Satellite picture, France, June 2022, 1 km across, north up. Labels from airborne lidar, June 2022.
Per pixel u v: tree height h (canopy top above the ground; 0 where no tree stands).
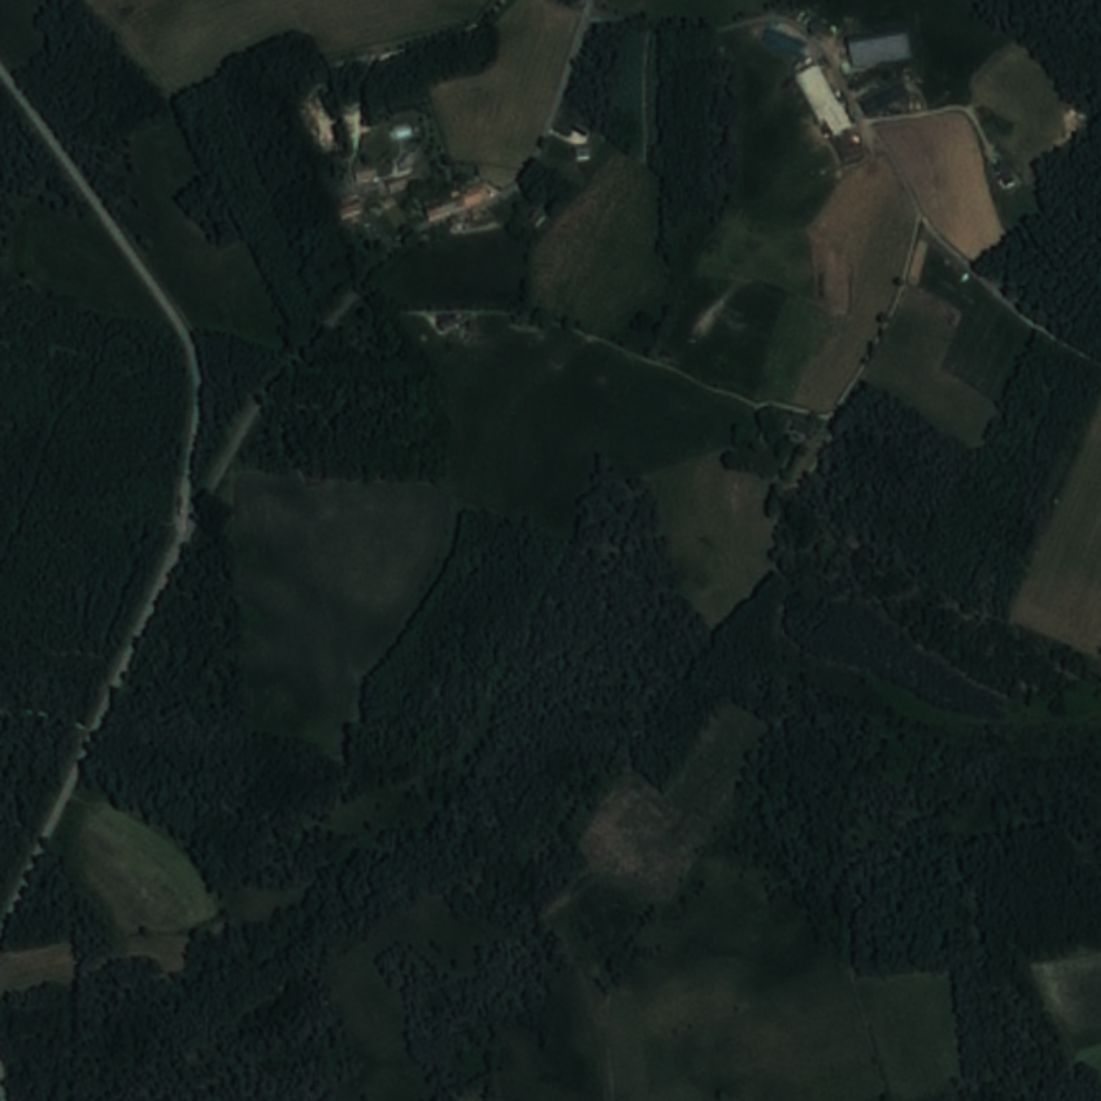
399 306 9
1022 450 12
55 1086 14
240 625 18
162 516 8
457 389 0
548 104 0
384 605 0
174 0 0
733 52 0
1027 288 27
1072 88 14
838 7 0
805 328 0
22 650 13
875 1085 0
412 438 16
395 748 27
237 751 23
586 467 0
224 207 13
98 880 0
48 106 16
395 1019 0
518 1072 0
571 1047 0
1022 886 21
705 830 0
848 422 24
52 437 8
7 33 0
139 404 13
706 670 22
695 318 0
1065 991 0
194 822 25
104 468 12
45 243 0
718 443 0
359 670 0
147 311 0
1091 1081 21
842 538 6
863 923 15
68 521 15
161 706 13
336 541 0
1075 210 22
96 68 12
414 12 0
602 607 19
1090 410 16
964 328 0
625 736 7
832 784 22
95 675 14
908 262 0
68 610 11
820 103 0
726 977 0
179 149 0
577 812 15
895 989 0
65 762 21
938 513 17
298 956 24
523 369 0
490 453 0
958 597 11
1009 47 0
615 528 17
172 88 0
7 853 25
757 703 22
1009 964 20
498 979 13
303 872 16
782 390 0
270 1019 15
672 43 20
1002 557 21
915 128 0
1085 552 0
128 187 17
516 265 0
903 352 0
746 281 0
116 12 0
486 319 0
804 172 0
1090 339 18
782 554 12
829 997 0
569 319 13
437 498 0
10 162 20
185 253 0
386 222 0
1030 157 0
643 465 0
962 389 0
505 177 0
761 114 0
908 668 10
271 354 17
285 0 0
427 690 20
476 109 0
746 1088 0
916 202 0
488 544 16
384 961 15
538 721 13
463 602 21
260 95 19
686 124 19
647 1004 0
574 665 17
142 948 0
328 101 14
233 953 17
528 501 0
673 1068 0
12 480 10
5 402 20
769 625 20
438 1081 12
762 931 0
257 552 0
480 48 17
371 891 12
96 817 0
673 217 14
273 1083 15
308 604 0
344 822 0
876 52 0
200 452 15
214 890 16
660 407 0
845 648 13
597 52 16
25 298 13
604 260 0
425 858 24
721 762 0
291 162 25
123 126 14
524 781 19
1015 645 11
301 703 0
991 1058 14
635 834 0
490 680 22
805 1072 0
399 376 21
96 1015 15
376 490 0
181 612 16
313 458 20
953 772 17
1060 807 11
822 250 0
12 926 21
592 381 0
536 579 23
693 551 0
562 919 0
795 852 16
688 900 12
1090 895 25
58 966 0
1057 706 10
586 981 0
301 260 19
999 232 0
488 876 13
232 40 0
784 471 8
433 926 0
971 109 0
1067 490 0
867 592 8
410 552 0
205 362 20
